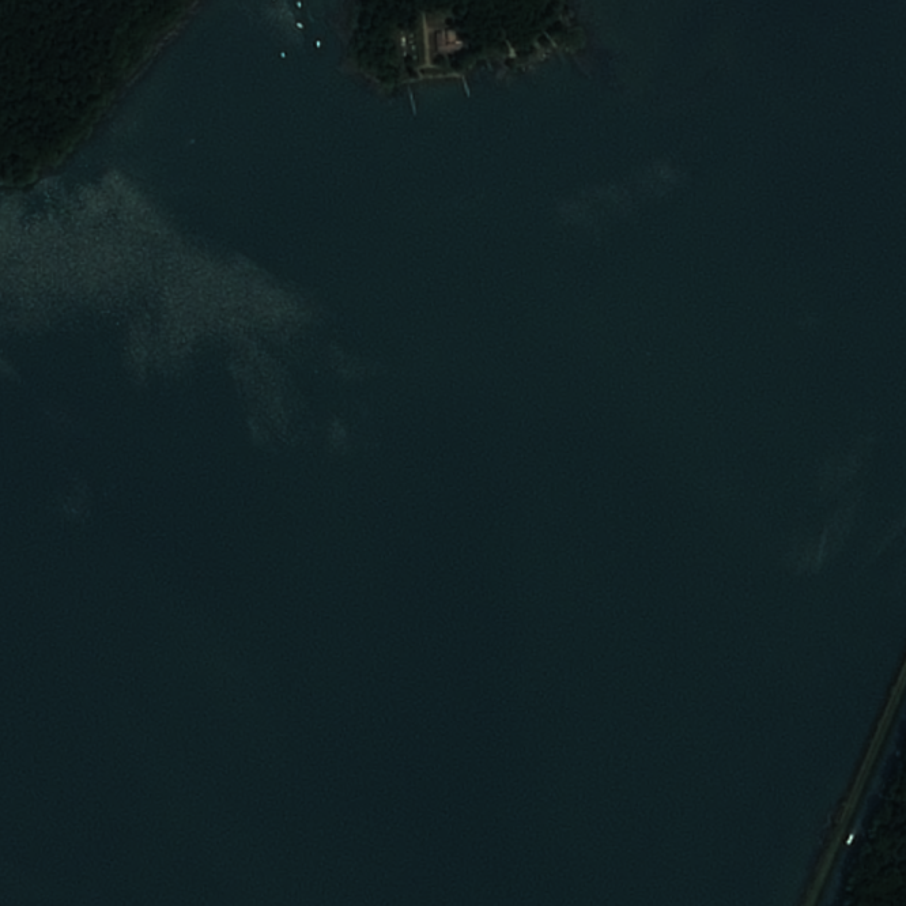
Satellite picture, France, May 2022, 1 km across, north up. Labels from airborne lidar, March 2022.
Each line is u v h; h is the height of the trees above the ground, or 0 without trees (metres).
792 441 0
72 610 0
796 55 0
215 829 0
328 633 0
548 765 0
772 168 0
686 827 0
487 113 0
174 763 0
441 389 0
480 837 0
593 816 0
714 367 0
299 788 0
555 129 0
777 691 0
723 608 0
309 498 0
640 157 0
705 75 0
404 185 0
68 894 0
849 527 0
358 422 0
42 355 0
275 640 0
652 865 0
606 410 0
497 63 0
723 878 0
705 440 0
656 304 0
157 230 0
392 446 0
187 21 0
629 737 0
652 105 0
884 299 0
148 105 0
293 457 0
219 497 0
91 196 0
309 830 0
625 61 0
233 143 0
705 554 0
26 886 0
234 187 0
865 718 0
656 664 0
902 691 0
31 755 0
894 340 0
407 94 0
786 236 0
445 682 0
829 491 0
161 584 0
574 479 0
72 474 0
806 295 0
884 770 0
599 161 0
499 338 0
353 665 0
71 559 0
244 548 0
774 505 0
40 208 0
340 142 0
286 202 0
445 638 0
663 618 0
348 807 0
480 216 0
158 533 0
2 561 0
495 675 0
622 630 0
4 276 0
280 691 0
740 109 0
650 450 0
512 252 0
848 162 0
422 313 0
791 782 0
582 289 0
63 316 0
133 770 0
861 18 0
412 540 0
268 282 0
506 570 0
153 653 0
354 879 0
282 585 0
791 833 0
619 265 0
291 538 0
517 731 0
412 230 0
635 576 0
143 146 0
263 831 0
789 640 0
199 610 0
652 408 0
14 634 0
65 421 0
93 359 0
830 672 0
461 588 0
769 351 0
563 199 0
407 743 0
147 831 0
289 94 0
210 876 0
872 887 24
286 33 0
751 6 0
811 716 0
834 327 0
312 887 0
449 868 0
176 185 0
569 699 0
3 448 0
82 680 0
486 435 0
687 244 0
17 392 0
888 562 0
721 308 0
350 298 0
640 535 0
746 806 0
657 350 0
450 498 0
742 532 0
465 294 0
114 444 0
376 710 0
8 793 0
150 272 0
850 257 0
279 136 0
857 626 0
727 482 0
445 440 0
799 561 0
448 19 0
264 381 0
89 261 0
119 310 0
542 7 14
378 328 0
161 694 0
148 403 0
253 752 0
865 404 0
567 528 0
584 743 0
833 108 0
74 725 0
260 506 0
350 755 0
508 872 0
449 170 0
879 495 0
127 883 0
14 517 0
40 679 0
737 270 0
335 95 0
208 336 0
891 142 0
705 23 0
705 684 0
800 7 0
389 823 0
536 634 0
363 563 0
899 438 0
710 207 0
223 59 0
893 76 0
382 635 0
